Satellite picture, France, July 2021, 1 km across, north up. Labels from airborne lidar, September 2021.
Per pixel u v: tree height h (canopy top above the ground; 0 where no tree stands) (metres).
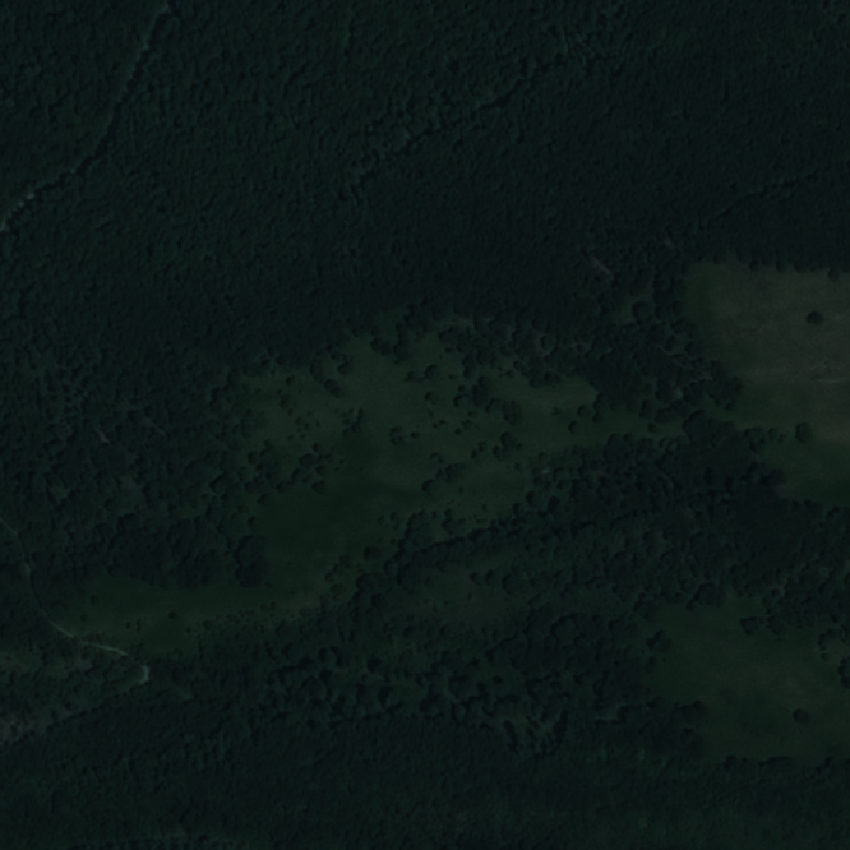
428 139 22
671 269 20
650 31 27
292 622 8
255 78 16
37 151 25
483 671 26
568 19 26
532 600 7
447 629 16
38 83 22
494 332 16
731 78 25
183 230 22
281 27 24
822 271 7
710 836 12
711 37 26
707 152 24
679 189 22
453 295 16
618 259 22
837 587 19
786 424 0
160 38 19
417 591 17
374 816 6
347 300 20
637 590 26
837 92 24
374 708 27
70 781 17
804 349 0
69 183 21
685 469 23
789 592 16
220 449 8
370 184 22
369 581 21
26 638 14
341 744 16
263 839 11
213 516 24
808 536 17
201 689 11
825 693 0
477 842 19
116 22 22
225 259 22
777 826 8
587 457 16
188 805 16
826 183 22
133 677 9
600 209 24
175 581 26
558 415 12
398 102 20
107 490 17
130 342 19
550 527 8
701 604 20
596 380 20
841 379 0
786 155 23
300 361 15
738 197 20
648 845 10
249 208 21
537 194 23
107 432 18
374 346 12
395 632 21
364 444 0
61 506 12
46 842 11
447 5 25
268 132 17
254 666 21
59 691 11
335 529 0
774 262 13
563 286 19
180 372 17
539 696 27
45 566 12
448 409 0
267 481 11
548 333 13
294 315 20
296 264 22
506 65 21
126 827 18
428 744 27
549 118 25
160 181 27
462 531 23
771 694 0
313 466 18
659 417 18
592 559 17
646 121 24
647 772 15
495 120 27
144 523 6
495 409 16
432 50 24
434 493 21
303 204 22
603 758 22
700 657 0
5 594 14
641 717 28
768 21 26
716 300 0
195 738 16
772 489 31
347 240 20
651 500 8
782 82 26
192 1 27
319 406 0
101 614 0
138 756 23
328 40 25
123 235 28
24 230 21
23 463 22
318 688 29
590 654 22
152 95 21
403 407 0
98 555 23
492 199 26
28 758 15
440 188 23
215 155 21
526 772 21
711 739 0
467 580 0
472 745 27
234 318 16
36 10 21
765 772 21
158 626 0
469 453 0
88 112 15
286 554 0
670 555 14
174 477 21
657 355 16
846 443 0
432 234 23
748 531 18
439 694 26
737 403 17
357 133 19
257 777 25
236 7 25
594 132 26
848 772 24
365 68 23
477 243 25
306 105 22
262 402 0
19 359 18
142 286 20
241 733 23
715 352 0
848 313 0
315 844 10
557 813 11
